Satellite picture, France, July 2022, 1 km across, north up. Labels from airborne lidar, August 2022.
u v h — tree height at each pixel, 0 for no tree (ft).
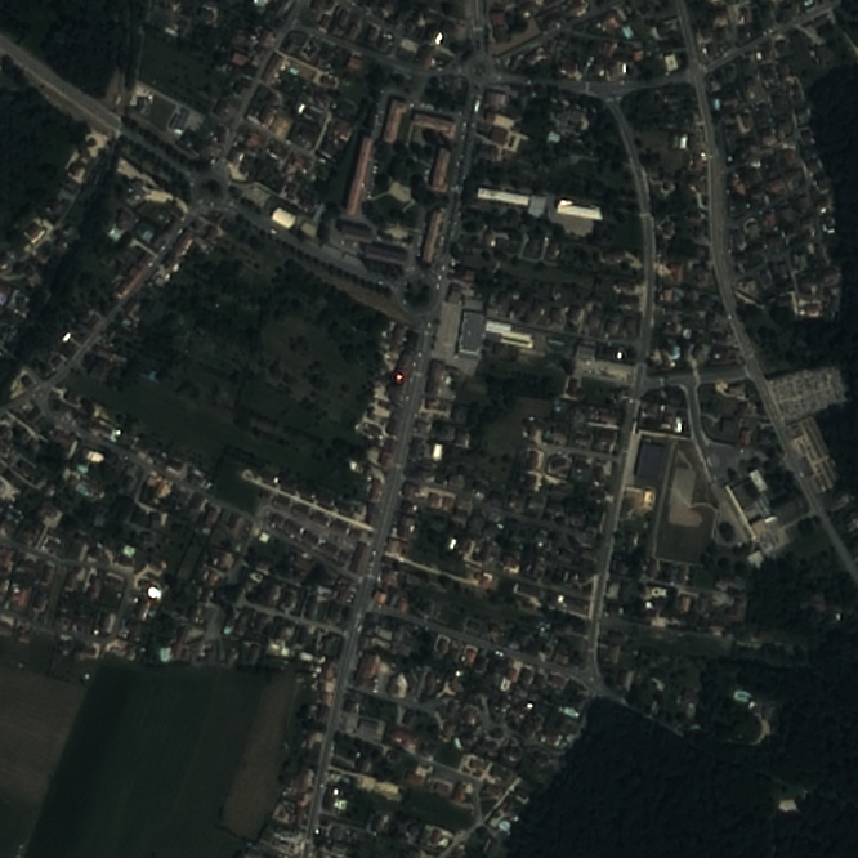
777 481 32
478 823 0
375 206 44
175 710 0
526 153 20
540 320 0
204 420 0
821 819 84
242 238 21
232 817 0
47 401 0
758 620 31
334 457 34
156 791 0
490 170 30
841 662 84
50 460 46
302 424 0
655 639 0
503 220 39
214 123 0
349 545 0
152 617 0
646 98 43
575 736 0
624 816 81
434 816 0
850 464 70
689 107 22
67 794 0
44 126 58
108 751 0
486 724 0
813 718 84
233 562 0
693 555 0
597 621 0
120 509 25
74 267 59
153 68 0
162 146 30
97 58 65
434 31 38
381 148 55
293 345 22
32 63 0
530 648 23
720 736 63
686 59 31
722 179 0
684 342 46
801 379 0
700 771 85
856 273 77
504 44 0
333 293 23
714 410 22
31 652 0
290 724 0
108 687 0
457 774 0
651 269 0
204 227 0
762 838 88
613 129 44
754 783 76
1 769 0
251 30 27
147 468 0
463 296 21
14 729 0
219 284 36
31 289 28
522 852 64
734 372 0
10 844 0
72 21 39
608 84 0
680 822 86
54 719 0
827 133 89
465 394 0
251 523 0
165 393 0
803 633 43
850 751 77
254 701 0
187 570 0
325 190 46
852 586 40
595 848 87
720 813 87
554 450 0
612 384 0
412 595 17
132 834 0
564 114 0
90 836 0
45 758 0
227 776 0
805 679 84
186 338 0
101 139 0
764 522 0
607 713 81
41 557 0
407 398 0
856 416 89
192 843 0
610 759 86
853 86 94
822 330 88
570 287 27
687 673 20
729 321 0
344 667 0
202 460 19
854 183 94
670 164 0
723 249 0
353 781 24
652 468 0
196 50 48
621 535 32
